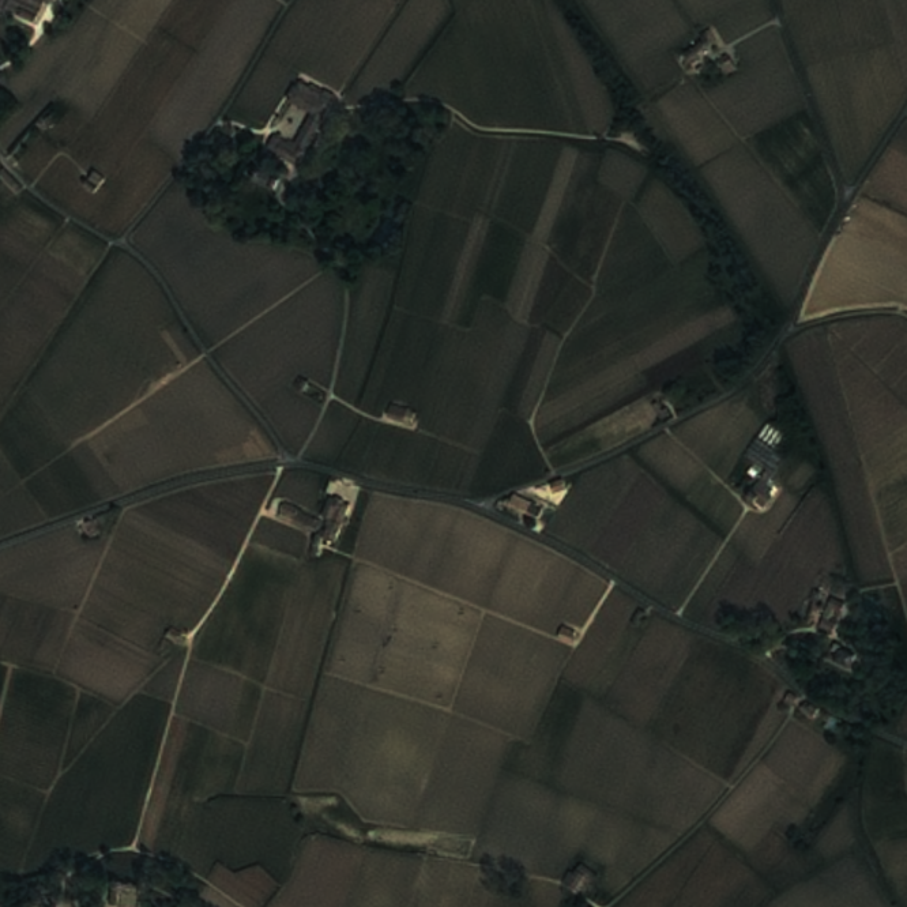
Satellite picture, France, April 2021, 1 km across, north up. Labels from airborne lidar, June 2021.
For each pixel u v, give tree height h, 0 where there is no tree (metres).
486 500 0
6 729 0
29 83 0
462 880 0
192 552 0
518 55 0
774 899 0
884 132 0
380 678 0
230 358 0
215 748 0
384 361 0
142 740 0
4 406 0
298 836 0
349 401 0
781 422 8
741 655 0
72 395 0
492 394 0
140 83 0
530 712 0
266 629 0
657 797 0
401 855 0
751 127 0
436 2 0
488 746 0
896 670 17
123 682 0
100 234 0
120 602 0
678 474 0
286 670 0
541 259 0
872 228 0
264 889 0
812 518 0
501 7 0
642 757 0
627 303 0
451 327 0
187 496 0
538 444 0
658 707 0
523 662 0
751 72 0
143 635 0
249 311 0
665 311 0
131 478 0
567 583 0
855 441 0
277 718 0
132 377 0
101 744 0
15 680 0
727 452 0
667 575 0
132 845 0
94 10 0
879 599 11
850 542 0
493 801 0
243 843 0
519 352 0
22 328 0
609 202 0
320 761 0
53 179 0
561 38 0
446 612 0
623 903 0
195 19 0
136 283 0
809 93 0
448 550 0
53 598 0
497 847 0
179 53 0
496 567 0
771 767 0
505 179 0
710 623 0
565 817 0
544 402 0
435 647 0
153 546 0
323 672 0
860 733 13
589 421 0
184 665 0
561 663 0
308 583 0
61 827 0
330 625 0
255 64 0
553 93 0
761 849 0
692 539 0
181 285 0
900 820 0
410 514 0
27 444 0
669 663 0
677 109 0
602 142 13
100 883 23
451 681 0
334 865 0
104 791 0
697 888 0
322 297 0
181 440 0
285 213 12
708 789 0
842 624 15
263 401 0
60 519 0
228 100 0
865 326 0
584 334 0
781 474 0
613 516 0
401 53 0
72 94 0
